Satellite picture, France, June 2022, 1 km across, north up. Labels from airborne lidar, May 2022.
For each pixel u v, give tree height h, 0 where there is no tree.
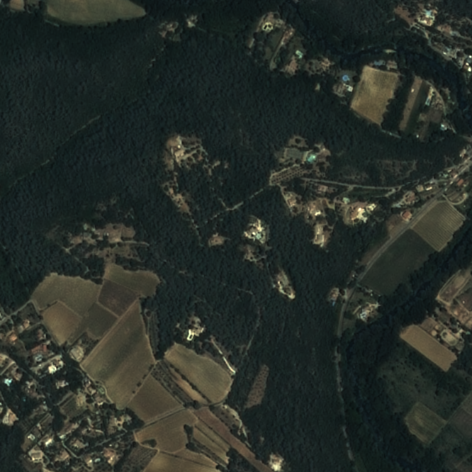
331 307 15
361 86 0
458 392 9
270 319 17
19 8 0
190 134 8
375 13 16
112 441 7
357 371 15
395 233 0
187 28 12
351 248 11
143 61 10
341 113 13
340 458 11
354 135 7
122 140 10
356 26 20
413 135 13
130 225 11
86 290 0
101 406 6
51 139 6
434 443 7
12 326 10
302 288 21
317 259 11
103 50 13
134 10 0
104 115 8
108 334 0
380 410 22
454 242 6
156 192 18
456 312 0
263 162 15
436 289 23
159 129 10
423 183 10
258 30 0
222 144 18
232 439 0
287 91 11
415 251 0
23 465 7
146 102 20
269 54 0
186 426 11
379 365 13
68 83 7
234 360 20
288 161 7
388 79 0
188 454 0
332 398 12
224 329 17
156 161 18
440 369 7
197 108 9
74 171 10
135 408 0
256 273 21
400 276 0
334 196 8
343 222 9
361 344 25
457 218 0
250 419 6
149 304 22
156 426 0
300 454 17
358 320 7
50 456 10
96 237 8
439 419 0
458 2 10
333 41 6
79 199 7
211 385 0
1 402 7
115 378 0
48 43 19
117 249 0
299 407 8
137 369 0
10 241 14
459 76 16
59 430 8
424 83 0
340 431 11
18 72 19
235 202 8
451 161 8
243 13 24
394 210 12
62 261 20
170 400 0
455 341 0
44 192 11
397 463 17
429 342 0
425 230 0
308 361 9
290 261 17
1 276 6
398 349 13
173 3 13
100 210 7
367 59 22
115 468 7
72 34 20
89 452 7
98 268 17
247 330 13
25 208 14
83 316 0
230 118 20
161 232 13
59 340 0
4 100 6
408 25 8
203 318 9
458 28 6
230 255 13
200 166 13
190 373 0
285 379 6
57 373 9
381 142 11
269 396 8
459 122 21
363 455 6
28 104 15
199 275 17
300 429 15
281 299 21
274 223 15
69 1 0
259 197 7
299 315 6
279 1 26
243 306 9
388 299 20
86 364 0
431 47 9
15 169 10
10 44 15
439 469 11
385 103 0
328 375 10
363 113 0
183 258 19
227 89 17
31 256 15
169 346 6
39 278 9
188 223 9
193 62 19
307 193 9
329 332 14
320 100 13
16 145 18
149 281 0
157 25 12
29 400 10
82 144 10
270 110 19
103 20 0
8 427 7
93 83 7
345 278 10
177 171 7
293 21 18
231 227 15
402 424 23
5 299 10
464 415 0
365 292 7
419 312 20
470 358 11
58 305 0
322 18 19
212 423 0
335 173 7
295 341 7
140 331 0
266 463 9
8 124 19
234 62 22
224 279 19
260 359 6
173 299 16
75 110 7
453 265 24
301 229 18
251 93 8
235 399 6
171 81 20
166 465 0
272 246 15
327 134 14
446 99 7
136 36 10
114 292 0
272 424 8
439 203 0
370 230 19
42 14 17
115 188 6
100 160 19
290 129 19
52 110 18
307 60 6
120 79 10
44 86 12
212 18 18
